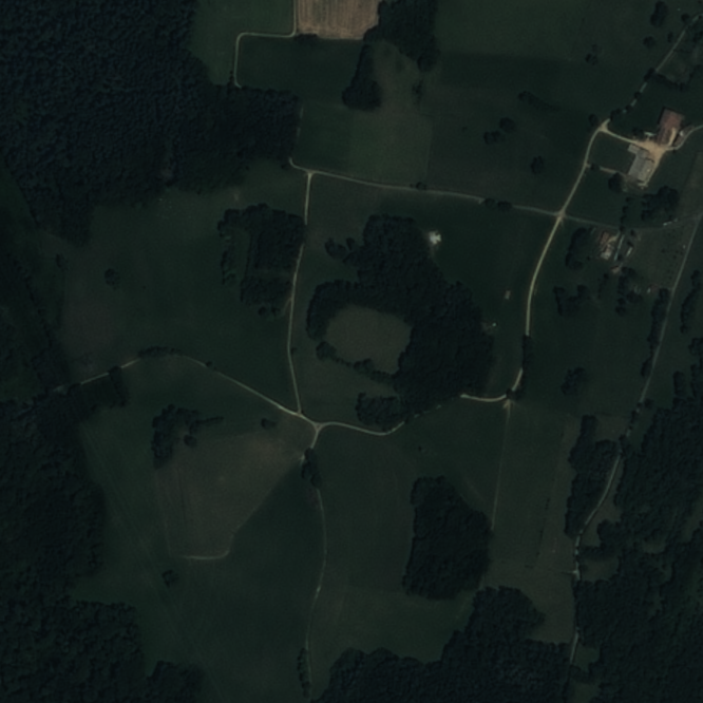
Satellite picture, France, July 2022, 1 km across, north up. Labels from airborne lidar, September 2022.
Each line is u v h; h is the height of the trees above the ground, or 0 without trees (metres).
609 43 0
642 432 0
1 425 31
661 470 10
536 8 0
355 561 0
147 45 28
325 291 20
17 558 11
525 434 0
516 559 0
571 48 0
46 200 22
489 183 0
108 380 6
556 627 0
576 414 0
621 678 19
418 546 24
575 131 0
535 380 0
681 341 0
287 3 0
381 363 0
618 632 19
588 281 0
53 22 15
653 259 0
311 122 0
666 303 16
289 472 0
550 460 0
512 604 26
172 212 0
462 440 0
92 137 25
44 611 12
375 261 21
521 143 0
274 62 0
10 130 30
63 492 23
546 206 0
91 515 9
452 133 0
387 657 14
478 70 0
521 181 0
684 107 0
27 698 28
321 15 0
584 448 20
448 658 14
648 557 12
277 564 0
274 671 0
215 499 0
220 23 0
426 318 28
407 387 21
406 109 0
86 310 0
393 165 0
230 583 0
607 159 0
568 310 21
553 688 20
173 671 22
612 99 0
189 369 0
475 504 0
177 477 0
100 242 0
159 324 0
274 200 0
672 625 9
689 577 15
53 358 16
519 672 27
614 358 0
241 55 0
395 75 0
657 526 6
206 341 0
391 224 22
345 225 0
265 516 0
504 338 0
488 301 0
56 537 22
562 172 0
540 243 0
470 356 29
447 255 0
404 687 15
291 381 0
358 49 0
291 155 17
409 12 21
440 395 24
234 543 0
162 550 0
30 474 28
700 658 17
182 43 26
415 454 0
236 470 0
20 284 5
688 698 18
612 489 0
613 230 0
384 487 0
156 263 0
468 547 27
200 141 27
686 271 0
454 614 0
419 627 0
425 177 0
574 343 0
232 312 0
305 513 0
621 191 9
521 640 18
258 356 0
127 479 0
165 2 30
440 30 0
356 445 0
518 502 0
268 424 13
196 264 0
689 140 0
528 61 0
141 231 0
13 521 13
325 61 0
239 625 0
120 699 28
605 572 0
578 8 0
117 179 28
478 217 0
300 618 0
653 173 0
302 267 0
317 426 0
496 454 0
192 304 0
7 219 6
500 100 0
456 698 17
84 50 29
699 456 8
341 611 0
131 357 0
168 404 0
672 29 0
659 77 16
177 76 24
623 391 0
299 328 0
